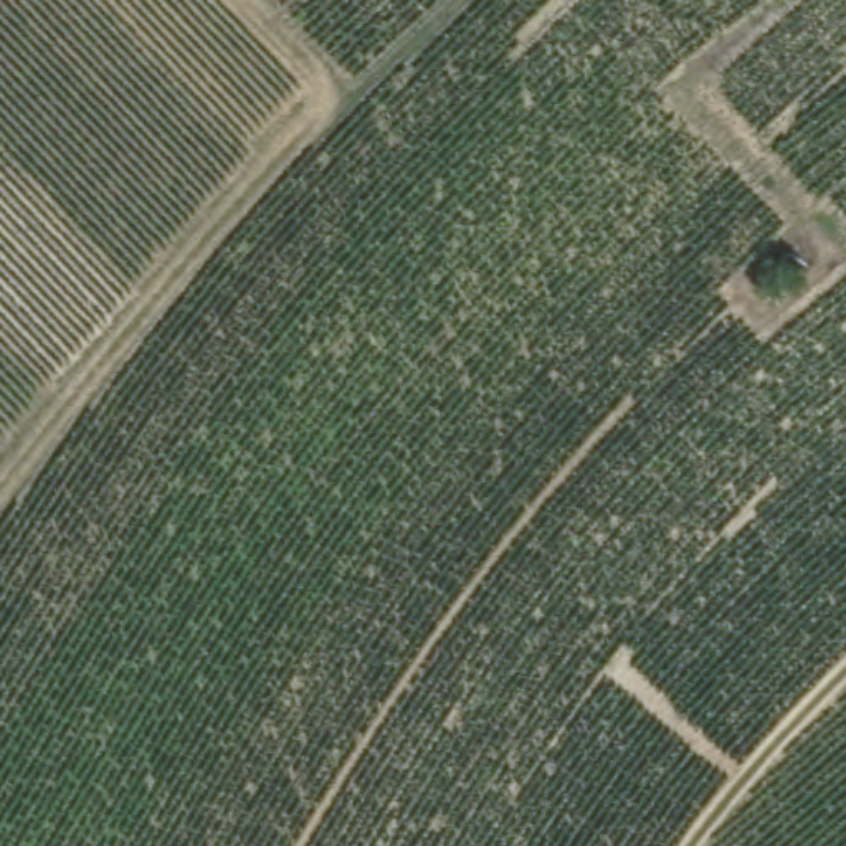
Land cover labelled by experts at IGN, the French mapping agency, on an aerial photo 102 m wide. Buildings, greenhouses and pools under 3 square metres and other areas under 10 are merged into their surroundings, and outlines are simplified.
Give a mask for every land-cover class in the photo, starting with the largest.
<instances>
[{"label":"vineyard","instance_id":"1","mask_svg":"<svg viewBox=\"0 0 846 846\"><path fill-rule=\"evenodd\" d=\"M631 648V664L674 704V711L684 714L694 727H701L724 753L740 760L846 651V0H0V846H684L681 836L687 823L717 793L724 773L704 757H697L677 734H671L651 711L641 707V701H635L621 684L608 677V661L615 658V651ZM711 846H846V691L839 694L836 707L823 711L803 730V737H796L787 747L783 760L750 790V796L717 829Z\"/></svg>","mask_w":846,"mask_h":846},{"label":"pervious surface","instance_id":"2","mask_svg":"<svg viewBox=\"0 0 846 846\"><path fill-rule=\"evenodd\" d=\"M608 677L621 684L635 701H641V707L651 711L671 734H677L697 757H704L724 773L717 793L687 823L681 836L684 846H711L717 829L750 796V790L783 760L787 747L796 737H803V730L823 711L836 707L839 694L846 691V651L740 760L724 753L701 727H694L684 714L674 711V704L631 664V648L615 651V658L608 661Z\"/></svg>","mask_w":846,"mask_h":846}]
</instances>
